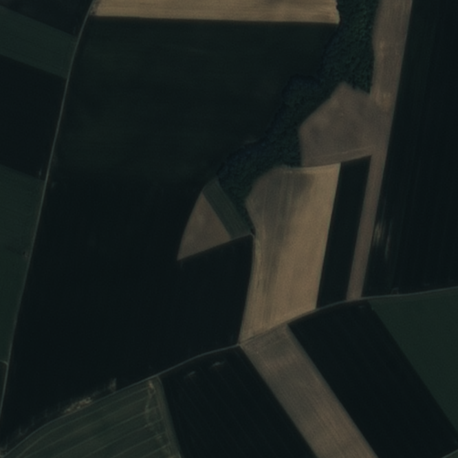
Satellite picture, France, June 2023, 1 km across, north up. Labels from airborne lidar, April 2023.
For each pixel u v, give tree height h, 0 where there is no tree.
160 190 0
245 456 0
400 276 0
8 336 0
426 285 0
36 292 0
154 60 0
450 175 0
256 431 0
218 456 0
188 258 0
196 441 0
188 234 0
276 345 0
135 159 0
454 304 0
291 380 0
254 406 0
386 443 0
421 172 0
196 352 0
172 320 0
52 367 0
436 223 0
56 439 0
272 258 0
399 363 0
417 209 0
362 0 15
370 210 0
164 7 0
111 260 0
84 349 0
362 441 0
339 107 0
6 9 0
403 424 0
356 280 0
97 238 0
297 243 0
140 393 0
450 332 0
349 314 0
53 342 0
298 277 0
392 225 0
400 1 0
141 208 0
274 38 0
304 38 0
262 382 0
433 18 0
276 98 0
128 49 0
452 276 0
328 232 0
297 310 0
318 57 0
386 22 0
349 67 24
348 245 0
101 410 0
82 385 0
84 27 0
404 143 0
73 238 0
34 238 0
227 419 0
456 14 0
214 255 0
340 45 18
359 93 0
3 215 0
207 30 0
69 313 0
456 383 0
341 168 0
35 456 0
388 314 0
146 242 0
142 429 0
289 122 21
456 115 0
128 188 0
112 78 0
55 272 0
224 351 0
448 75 0
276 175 0
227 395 0
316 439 0
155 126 0
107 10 0
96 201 0
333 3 0
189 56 0
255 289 0
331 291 0
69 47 0
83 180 0
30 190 0
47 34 0
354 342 0
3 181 0
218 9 0
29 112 0
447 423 0
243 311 0
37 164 0
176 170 0
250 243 0
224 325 0
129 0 0
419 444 0
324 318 0
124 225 0
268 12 0
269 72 0
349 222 0
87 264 0
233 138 0
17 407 0
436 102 0
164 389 0
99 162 0
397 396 0
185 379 0
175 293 0
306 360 0
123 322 0
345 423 0
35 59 0
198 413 0
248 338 0
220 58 0
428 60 0
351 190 0
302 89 26
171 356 0
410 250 0
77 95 0
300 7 0
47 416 0
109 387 0
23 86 0
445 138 0
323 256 0
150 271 0
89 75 0
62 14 0
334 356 0
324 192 0
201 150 0
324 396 0
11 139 0
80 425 0
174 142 0
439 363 0
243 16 0
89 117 0
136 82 0
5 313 0
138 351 0
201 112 0
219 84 0
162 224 0
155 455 0
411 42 0
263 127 0
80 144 0
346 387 0
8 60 0
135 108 0
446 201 0
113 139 0
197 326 0
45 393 0
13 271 0
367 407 0
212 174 0
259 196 0
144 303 0
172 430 0
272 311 0
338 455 0
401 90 0
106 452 0
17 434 0
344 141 0
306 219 0
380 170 0
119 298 0
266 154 26
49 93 0
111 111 0
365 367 0
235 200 14
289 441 0
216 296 0
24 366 0
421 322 0
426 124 0
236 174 29
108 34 0
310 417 0
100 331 0
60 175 0
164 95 0
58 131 0
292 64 0
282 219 0
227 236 0
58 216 0
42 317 0
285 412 0
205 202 0
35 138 0
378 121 0
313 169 0
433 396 0
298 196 0
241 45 0
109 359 0
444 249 0
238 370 0
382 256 0
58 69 0
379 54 0
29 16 0
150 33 0
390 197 0
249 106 0
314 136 0
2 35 0
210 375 0
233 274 0
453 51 0
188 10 0
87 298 0
